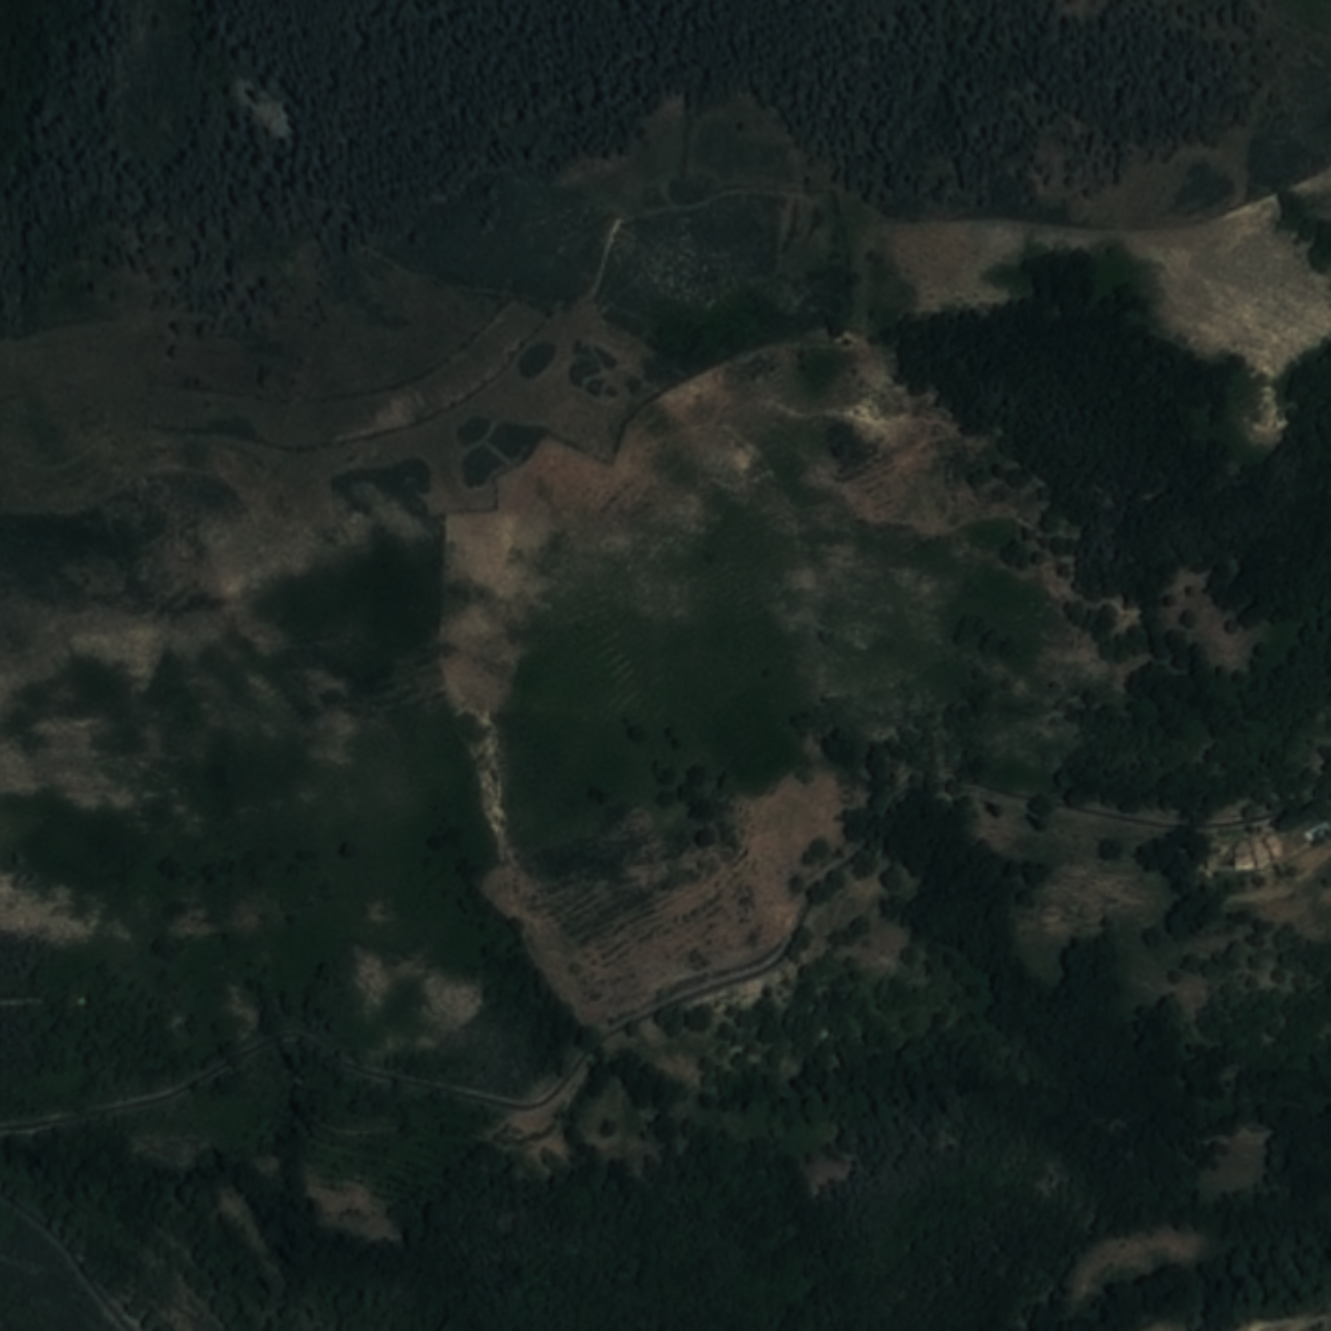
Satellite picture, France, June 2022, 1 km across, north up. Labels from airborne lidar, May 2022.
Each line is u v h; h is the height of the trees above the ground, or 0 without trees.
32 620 0
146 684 0
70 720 0
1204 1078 12
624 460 0
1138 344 17
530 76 18
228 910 0
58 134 20
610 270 0
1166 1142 17
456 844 6
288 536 0
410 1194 7
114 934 0
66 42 11
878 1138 15
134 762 0
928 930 21
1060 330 19
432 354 0
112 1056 8
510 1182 13
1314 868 0
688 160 0
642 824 0
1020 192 9
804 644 0
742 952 0
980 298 0
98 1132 9
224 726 0
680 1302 14
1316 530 17
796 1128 11
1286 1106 15
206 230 20
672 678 0
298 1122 8
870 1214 15
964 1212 17
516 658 0
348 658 0
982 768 11
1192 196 0
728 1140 12
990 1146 13
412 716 0
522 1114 0
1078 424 17
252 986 11
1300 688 13
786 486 0
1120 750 11
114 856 0
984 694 7
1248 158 0
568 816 0
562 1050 12
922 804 20
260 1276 10
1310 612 15
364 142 22
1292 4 0
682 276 0
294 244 0
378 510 0
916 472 0
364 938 0
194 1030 13
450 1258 11
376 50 17
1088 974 24
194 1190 19
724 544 0
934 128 8
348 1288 7
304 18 19
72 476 0
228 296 18
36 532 0
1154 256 0
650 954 0
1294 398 12
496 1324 10
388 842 0
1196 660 14
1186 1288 13
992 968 22
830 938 6
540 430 0
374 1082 9
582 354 0
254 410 0
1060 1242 17
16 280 12
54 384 0
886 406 0
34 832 0
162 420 0
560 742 0
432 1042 0
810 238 0
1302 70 0
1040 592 0
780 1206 15
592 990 0
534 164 12
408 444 0
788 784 0
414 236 12
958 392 15
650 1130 9
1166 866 23
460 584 0
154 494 0
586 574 0
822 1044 10
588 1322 12
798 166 0
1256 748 9
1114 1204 22
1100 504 15
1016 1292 23
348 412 0
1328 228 15
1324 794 13
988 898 22
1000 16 18
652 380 0
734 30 17
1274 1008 10
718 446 0
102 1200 12
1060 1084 9
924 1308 15
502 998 7
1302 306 0
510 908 0
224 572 0
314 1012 10
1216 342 0
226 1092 17
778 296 0
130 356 0
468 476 0
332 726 0
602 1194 8
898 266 0
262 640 0
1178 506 21
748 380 0
